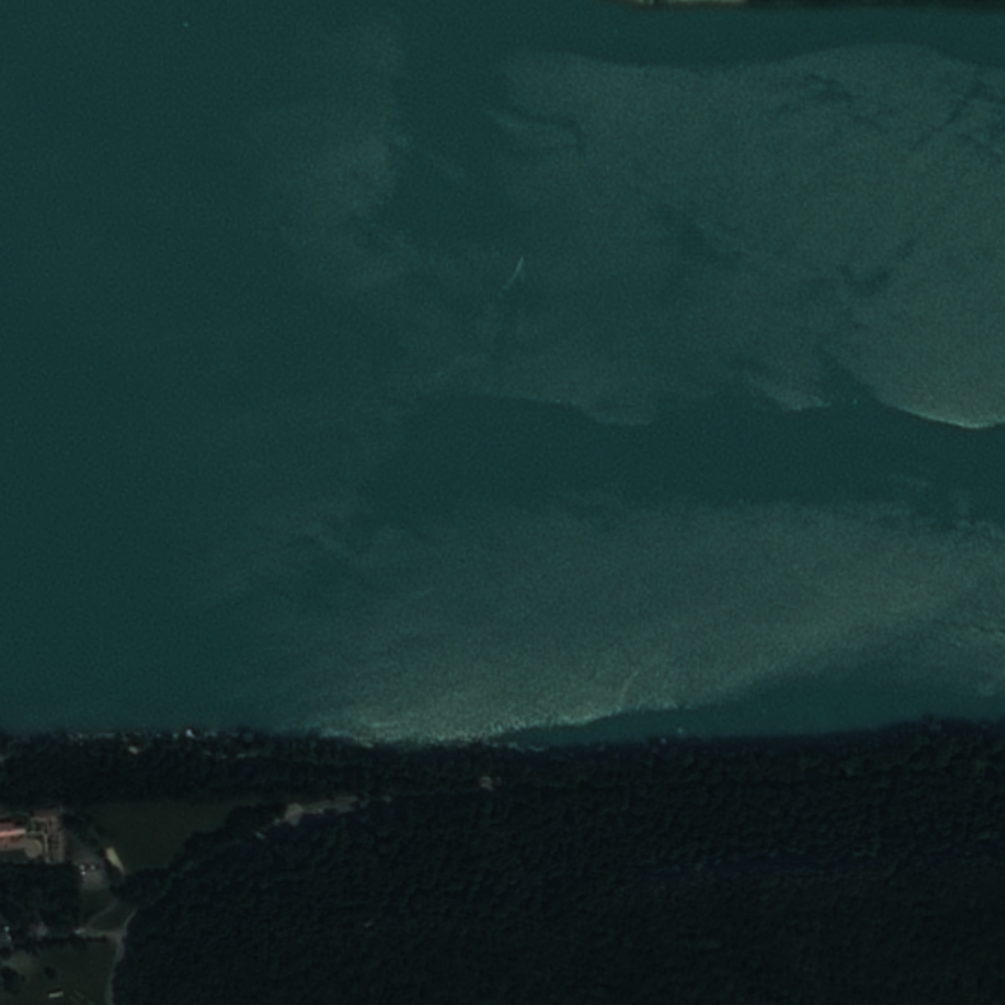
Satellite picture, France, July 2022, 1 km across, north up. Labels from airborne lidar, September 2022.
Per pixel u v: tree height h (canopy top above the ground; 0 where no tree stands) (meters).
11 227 0
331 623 0
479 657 0
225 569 0
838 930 17
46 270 0
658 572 0
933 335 0
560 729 0
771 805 32
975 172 0
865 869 16
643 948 16
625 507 0
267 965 17
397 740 0
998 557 0
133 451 0
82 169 0
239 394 0
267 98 0
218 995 15
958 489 0
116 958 0
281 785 25
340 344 0
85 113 0
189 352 0
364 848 31
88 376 0
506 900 30
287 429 0
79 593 0
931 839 38
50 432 0
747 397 0
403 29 0
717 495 0
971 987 20
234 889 27
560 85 0
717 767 23
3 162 0
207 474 0
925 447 0
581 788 30
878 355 0
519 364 0
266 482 0
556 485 0
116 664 0
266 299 0
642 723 0
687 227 0
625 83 0
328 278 0
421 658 0
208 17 0
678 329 0
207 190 0
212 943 27
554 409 0
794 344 0
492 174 0
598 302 0
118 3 0
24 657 0
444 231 0
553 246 0
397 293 0
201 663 0
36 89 0
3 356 0
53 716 0
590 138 0
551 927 14
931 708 0
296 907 27
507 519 0
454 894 28
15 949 6
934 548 0
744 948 19
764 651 0
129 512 0
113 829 0
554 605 0
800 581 0
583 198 0
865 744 23
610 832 32
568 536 0
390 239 0
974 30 0
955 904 19
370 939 13
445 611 0
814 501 0
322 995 15
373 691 0
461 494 0
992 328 0
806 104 0
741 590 0
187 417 0
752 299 0
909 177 0
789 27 0
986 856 42
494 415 0
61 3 0
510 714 0
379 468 0
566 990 14
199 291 0
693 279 0
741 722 0
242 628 0
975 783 26
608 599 0
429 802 29
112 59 0
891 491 0
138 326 0
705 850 27
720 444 0
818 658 0
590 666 0
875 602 0
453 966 14
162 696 0
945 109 0
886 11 0
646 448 0
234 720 0
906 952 17
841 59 0
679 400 0
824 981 15
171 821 0
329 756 18
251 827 16
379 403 0
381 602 0
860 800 28
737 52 0
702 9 0
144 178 0
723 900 17
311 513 0
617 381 0
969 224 0
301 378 0
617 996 18
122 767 18
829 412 0
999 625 0
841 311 0
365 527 0
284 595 0
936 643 0
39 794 19
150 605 0
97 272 0
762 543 0
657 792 28
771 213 0
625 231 0
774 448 0
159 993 18
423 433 0
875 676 0
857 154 0
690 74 0
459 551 0
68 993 0
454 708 0
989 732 13
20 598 0
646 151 0
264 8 0
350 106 0
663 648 0
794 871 16
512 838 21
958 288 0
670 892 13
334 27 0
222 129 0
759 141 0
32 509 0
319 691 0
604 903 12
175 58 0
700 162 0
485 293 0
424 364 0
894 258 0
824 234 0
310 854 30
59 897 20
